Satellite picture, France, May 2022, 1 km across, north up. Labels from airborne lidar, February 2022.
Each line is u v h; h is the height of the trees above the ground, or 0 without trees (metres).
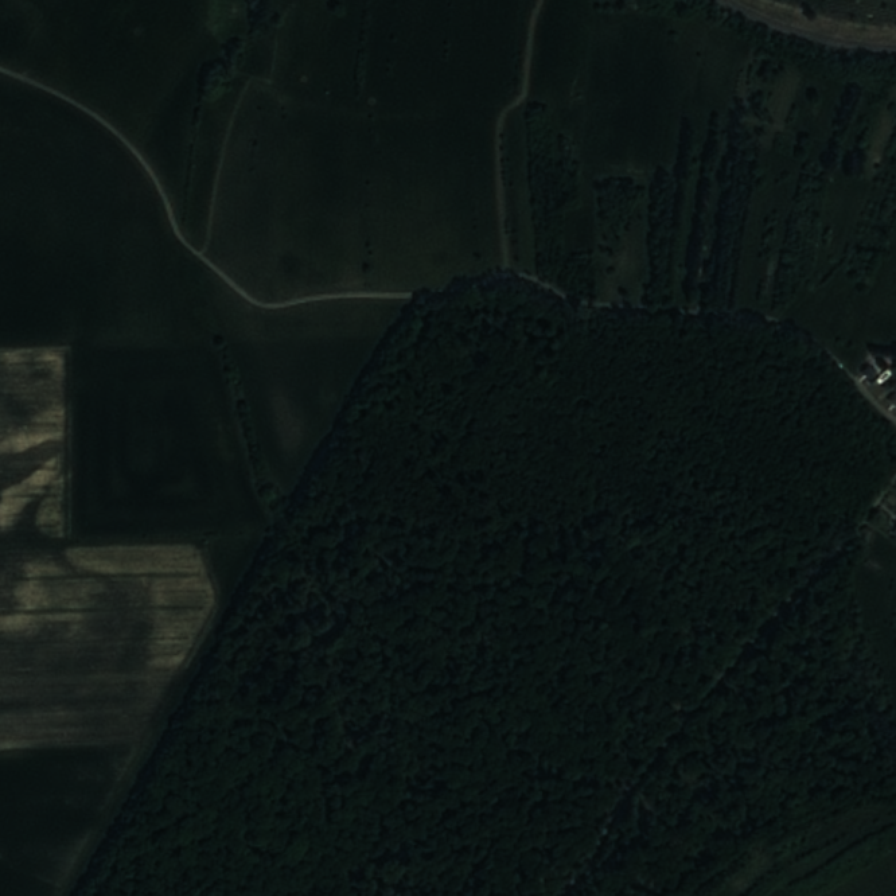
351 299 0
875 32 0
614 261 0
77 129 0
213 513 0
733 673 29
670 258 13
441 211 0
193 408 0
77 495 0
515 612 28
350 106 0
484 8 0
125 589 0
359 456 25
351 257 0
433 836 26
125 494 0
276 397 0
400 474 15
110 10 0
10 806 0
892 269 0
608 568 29
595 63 0
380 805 25
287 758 25
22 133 0
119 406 0
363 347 0
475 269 0
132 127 0
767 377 24
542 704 24
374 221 0
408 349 22
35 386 0
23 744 0
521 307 29
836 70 15
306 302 0
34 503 0
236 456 0
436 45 0
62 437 0
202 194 0
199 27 0
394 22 0
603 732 26
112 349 0
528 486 19
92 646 0
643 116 0
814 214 10
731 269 15
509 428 21
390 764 30
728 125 0
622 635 31
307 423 0
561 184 12
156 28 0
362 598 31
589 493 20
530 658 28
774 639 31
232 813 23
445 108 0
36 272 0
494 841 27
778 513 26
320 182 0
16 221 0
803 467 23
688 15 19
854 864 7
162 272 0
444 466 8
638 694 28
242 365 0
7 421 0
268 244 0
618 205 12
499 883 28
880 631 0
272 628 12
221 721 24
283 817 25
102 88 0
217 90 20
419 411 14
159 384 0
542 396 18
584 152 0
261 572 16
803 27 0
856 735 31
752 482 27
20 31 0
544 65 0
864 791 22
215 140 0
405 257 0
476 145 0
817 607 29
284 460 0
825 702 30
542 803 27
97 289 0
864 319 0
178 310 0
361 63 7
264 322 0
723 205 9
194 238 0
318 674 34
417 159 0
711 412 18
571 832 28
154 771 19
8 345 0
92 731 0
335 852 26
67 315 0
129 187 0
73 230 0
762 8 0
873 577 0
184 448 0
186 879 21
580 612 29
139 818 23
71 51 0
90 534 0
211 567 0
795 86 0
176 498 0
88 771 0
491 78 0
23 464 0
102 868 18
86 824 0
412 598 31
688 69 0
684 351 15
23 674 0
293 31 0
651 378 21
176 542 0
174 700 0
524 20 0
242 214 0
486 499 29
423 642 30
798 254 7
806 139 12
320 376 0
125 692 0
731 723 29
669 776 26
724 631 27
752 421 23
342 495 24
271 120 0
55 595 0
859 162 18
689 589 29
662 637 30
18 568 0
